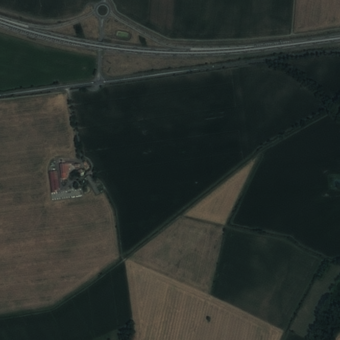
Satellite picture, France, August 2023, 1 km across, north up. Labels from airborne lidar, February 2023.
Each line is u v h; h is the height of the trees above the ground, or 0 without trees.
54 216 0
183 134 0
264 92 0
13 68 0
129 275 0
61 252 0
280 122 0
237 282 0
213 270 0
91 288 0
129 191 0
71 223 0
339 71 0
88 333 0
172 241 0
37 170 0
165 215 0
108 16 0
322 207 0
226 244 0
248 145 0
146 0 0
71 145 0
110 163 0
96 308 0
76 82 0
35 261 0
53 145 0
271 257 0
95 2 0
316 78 0
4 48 0
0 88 0
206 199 0
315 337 7
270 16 0
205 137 0
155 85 0
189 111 0
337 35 0
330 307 35
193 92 0
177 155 0
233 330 0
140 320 0
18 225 0
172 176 0
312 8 0
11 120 0
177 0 0
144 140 0
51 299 0
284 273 0
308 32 0
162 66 0
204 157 0
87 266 0
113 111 0
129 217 0
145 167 0
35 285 0
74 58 0
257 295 0
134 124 0
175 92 0
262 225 0
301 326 0
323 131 0
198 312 0
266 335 0
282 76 0
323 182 0
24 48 0
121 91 0
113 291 0
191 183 0
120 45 0
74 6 0
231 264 0
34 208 0
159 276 0
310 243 0
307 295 6
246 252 0
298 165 0
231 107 0
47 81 0
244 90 0
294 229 0
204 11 0
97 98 0
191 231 0
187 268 0
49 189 0
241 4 0
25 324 0
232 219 8
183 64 0
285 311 0
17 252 0
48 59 0
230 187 0
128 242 0
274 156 0
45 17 0
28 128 0
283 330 0
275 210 0
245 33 0
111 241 0
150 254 0
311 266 0
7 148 0
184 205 0
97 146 0
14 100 0
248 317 0
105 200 0
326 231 0
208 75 0
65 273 0
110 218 0
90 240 0
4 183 0
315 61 0
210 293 0
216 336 0
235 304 0
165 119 0
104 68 0
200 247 0
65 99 0
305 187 0
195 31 0
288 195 0
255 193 0
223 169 0
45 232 0
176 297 0
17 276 0
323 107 0
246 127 0
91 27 0
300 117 0
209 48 0
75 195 0
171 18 0
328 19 0
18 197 0
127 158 0
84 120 0
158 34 0
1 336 0
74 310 0
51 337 0
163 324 0
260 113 0
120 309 0
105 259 0
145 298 0
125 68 0
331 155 0
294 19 0
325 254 0
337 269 0
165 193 0
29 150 0
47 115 0
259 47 0
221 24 0
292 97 0
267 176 0
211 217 0
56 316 0
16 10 0
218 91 0
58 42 0
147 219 0
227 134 0
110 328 0
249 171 0
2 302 0
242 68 0
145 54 0
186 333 0
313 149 0
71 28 0
